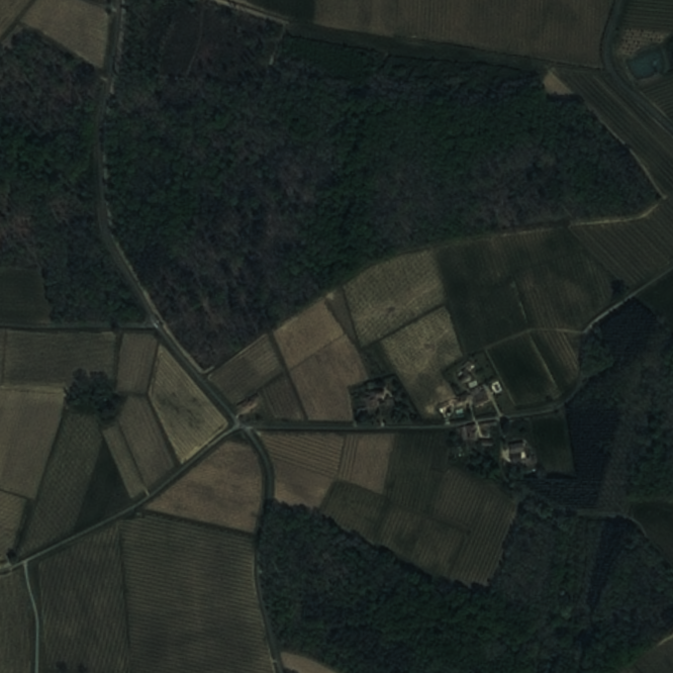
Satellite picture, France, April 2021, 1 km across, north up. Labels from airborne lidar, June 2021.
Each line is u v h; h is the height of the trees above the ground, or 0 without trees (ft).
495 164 59
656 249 0
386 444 0
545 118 82
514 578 72
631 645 75
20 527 0
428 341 0
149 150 71
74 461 0
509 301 0
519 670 89
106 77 0
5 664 0
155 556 0
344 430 0
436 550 0
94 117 63
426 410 0
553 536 66
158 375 0
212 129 44
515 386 0
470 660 73
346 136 96
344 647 73
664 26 0
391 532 0
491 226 49
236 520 0
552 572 70
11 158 79
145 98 61
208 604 0
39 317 0
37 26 0
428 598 79
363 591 67
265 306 72
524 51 0
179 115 51
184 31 0
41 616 0
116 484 0
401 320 0
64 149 82
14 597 0
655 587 62
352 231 77
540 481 49
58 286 52
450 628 84
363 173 79
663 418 52
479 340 0
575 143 75
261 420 45
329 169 48
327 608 73
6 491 0
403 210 55
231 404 0
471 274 0
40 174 83
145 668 0
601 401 48
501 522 0
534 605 70
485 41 0
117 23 0
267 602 32
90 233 58
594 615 76
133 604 0
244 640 0
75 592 0
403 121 74
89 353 0
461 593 80
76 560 0
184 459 0
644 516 0
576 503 60
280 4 0
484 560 0
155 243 66
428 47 0
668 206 0
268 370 0
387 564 66
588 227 0
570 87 0
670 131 0
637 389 59
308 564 64
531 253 0
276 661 0
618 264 0
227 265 48
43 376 0
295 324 0
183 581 0
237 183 48
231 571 0
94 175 42
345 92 64
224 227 77
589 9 0
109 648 0
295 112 69
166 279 40
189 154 52
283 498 0
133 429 0
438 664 74
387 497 0
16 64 55
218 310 65
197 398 0
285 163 48
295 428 0
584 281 0
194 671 0
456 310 0
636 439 51
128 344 0
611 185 62
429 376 0
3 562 0
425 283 0
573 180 68
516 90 49
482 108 78
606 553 62
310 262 56
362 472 0
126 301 41
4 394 0
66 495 0
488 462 62
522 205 51
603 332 46
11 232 60
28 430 0
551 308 0
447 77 22
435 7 0
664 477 70
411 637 66
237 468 0
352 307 0
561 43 0
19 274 0
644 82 0
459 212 58
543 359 0
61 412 0
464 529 0
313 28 0
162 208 77
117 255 0
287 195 33
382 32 0
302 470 0
